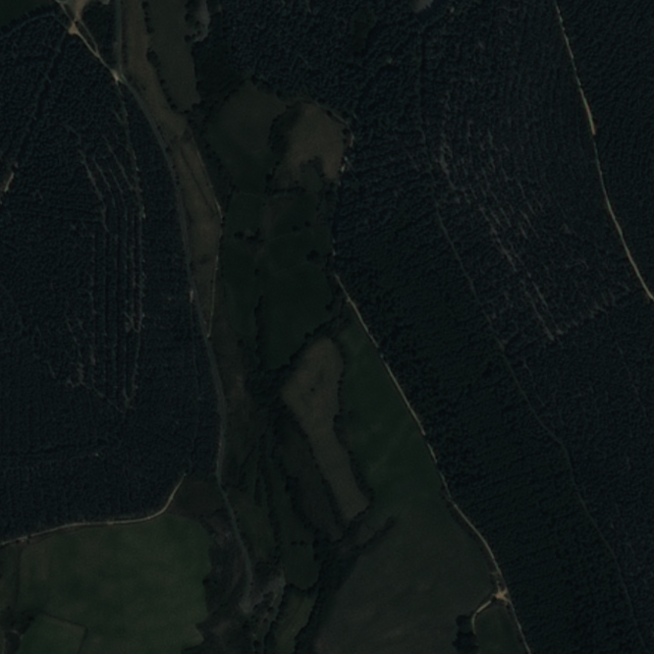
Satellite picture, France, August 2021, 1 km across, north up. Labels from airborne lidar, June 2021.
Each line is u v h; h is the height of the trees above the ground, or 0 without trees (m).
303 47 28
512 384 17
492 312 14
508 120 13
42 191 13
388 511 0
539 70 15
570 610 21
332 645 0
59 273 25
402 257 19
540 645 19
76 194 18
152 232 14
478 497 19
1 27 0
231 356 0
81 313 16
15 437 16
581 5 13
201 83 13
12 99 16
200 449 16
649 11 17
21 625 0
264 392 11
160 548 0
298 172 0
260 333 10
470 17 14
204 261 0
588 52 17
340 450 0
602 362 15
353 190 21
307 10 19
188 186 0
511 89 11
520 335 12
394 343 17
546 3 17
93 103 20
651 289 19
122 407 16
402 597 0
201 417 15
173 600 0
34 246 18
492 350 19
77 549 0
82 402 15
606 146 13
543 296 13
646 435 17
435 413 16
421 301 20
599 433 12
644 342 17
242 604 0
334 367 0
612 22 14
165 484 17
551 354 16
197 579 0
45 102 19
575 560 19
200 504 0
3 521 11
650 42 14
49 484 15
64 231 20
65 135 19
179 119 0
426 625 0
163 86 8
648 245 17
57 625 0
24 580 0
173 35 0
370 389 0
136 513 13
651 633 17
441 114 13
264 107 0
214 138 0
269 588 0
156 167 14
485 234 15
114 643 0
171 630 0
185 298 15
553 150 11
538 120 9
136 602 0
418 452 0
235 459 0
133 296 15
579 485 15
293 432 0
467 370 21
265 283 0
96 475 14
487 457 21
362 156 18
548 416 8
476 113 12
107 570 0
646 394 15
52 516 16
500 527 17
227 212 6
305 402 0
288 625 0
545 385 16
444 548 0
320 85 30
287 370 14
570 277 17
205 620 0
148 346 15
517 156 10
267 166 0
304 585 0
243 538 6
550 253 19
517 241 18
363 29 19
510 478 21
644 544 12
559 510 19
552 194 13
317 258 15
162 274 14
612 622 9
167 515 0
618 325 18
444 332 21
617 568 9
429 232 15
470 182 14
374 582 0
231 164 0
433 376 6
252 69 27
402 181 20
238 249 0
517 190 13
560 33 12
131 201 10
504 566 18
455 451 9
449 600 0
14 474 14
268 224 0
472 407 18
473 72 12
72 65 18
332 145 0
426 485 0
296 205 0
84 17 7
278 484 0
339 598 0
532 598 17
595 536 12
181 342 21
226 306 0
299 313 0
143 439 15
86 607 0
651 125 19
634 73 15
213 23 11
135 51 0
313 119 0
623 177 17
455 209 14
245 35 21
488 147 12
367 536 0
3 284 9
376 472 0
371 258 23
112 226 15
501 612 0
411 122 18
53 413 12
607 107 21
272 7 19
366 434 0
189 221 0
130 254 15
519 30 10
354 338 0
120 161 13
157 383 16
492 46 15
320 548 17
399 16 25
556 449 20
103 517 13
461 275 21
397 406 0
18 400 16
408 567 0
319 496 0
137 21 0
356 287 16
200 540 0
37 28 15
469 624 12
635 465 15
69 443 14
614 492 15
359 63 21
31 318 16
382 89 26
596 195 12
